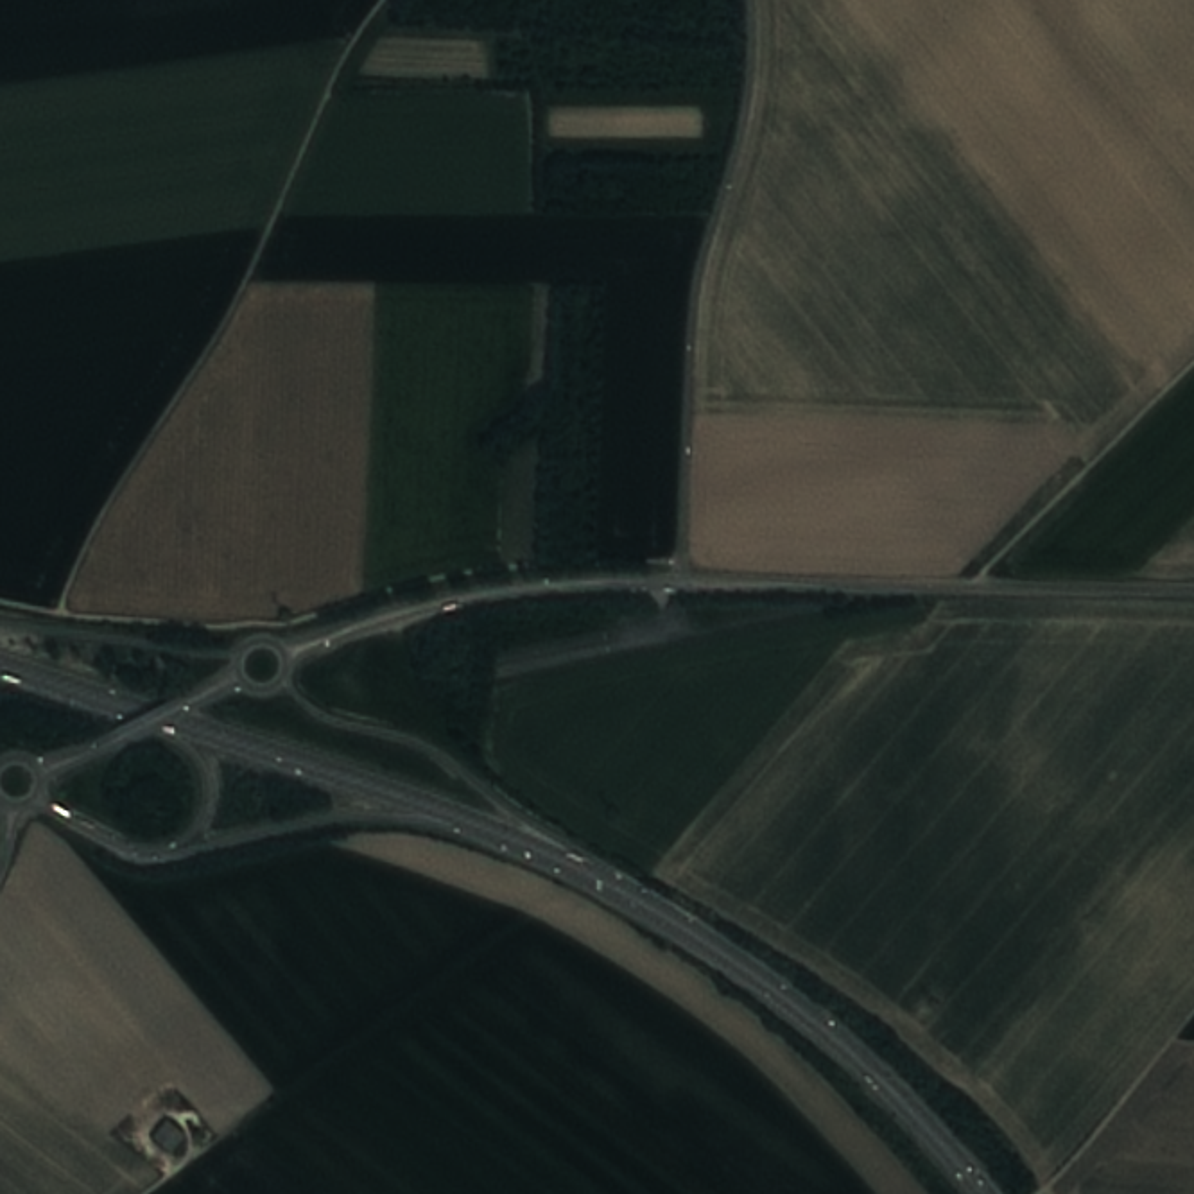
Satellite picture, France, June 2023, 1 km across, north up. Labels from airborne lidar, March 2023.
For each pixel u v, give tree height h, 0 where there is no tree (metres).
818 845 0
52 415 0
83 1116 0
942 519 0
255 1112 0
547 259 0
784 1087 0
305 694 0
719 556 0
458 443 0
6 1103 0
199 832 0
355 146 0
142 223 0
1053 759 0
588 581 0
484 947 0
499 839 0
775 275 0
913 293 0
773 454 0
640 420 0
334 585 0
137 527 0
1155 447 0
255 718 0
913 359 0
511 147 0
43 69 0
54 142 0
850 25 0
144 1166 0
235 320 0
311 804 10
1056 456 0
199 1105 0
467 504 0
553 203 7
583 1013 0
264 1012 0
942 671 0
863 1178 0
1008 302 0
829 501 0
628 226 0
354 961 0
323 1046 0
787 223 0
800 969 11
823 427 0
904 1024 0
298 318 0
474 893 0
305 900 0
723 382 0
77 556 0
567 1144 0
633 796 0
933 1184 5
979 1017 0
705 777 0
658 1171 0
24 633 0
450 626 12
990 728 0
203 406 0
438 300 0
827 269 0
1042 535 0
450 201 0
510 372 0
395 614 0
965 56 0
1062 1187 0
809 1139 0
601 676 0
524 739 0
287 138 0
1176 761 0
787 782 0
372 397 0
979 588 0
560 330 12
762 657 0
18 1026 0
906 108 0
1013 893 0
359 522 0
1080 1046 0
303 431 0
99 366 0
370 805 0
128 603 0
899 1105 0
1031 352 0
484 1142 0
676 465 0
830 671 0
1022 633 0
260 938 0
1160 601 0
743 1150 0
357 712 0
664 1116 0
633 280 0
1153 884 0
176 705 0
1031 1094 0
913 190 0
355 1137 0
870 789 0
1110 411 0
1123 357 0
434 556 0
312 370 0
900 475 0
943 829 0
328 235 0
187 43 0
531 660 0
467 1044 0
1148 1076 0
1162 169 0
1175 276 0
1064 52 0
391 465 0
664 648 0
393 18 11
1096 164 0
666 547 0
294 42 0
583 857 0
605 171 15
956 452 0
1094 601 0
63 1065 0
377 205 0
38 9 0
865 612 8
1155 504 0
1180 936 0
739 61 7
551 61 6
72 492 0
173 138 0
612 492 0
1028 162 0
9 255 0
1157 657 0
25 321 0
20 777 0
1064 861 0
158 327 0
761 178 0
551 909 0
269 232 0
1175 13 0
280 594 0
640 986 0
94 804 0
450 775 0
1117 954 0
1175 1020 0
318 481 0
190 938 0
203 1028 0
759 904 0
